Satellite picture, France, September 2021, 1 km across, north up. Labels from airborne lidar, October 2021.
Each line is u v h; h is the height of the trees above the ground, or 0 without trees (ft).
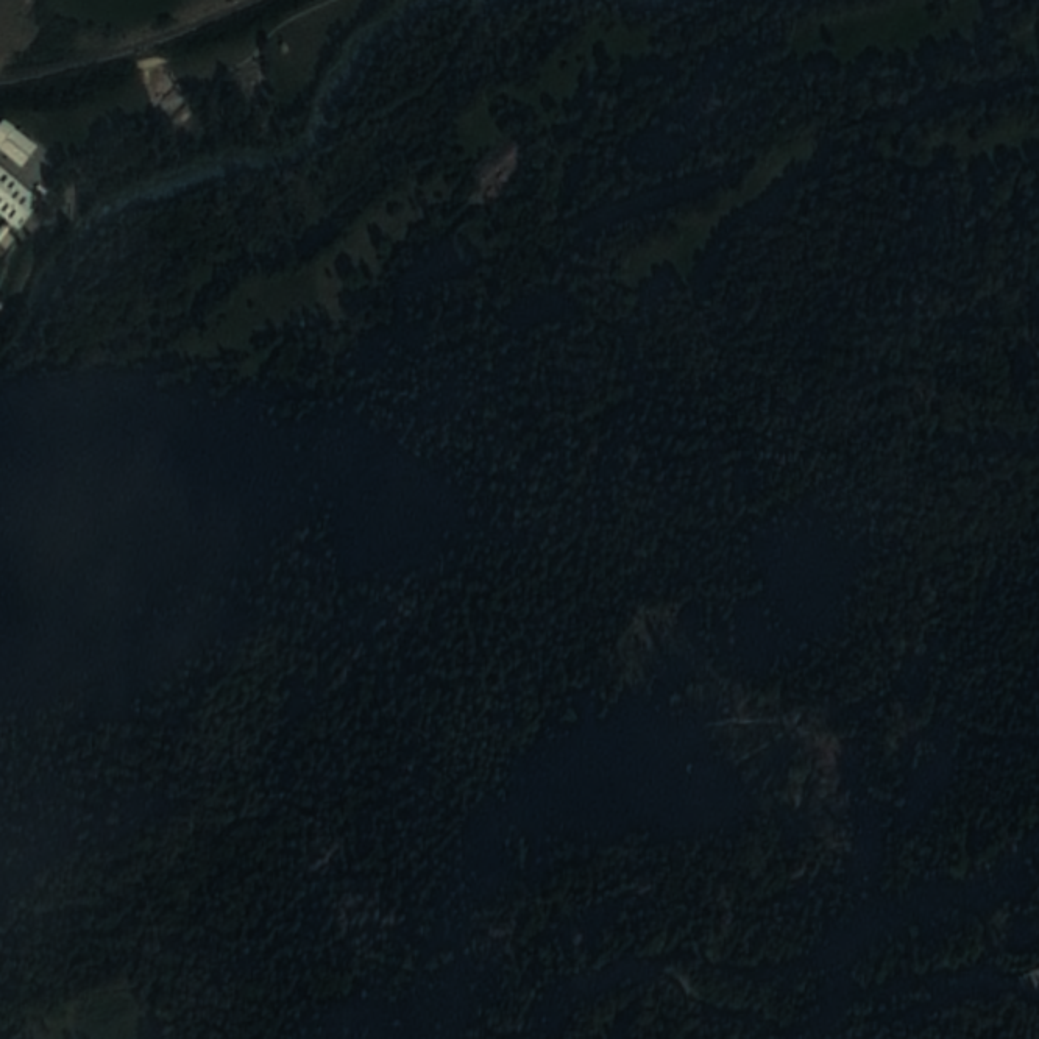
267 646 63
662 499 88
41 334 48
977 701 97
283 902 95
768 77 66
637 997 68
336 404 101
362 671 117
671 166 45
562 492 66
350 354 39
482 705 86
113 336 67
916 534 59
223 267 23
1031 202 42
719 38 51
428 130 32
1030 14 88
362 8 0
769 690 107
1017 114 84
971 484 46
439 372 80
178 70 0
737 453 89
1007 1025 92
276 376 26
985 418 30
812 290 78
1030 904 74
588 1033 64
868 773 94
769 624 119
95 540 75
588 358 81
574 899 59
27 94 39
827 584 43
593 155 76
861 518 40
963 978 31
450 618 124
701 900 108
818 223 74
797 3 68
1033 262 81
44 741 73
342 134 42
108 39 32
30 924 59
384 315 87
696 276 0
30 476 87
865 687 93
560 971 48
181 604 96
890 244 80
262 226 51
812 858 76
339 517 68
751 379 76
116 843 90
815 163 0
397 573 99
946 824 95
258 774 20
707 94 84
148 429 76
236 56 0
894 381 77
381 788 109
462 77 70
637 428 98
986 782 98
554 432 77
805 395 58
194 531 60
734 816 53
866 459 54
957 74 74
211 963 79
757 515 85
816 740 94
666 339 84
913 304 96
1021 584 66
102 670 71
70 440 88
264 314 0
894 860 110
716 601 110
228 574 96
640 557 88
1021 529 68
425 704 86
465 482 83
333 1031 71
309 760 92
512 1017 84
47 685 68
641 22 74
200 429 87
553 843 91
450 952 40
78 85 58
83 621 64
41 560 40
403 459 64
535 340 81
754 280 71
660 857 102
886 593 54
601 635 86
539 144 81
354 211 31
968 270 84
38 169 0
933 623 64
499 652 73
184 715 64
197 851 80
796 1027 74
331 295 0
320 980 109
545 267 29
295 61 0
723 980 63
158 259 66
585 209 60
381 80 71
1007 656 89
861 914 59
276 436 87
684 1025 87
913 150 72
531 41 31
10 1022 51
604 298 84
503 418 78
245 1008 73
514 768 67
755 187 0
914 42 0
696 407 107
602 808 69
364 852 81
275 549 73
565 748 103
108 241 53
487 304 25
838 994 72
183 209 30
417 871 97
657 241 66
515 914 70
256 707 81
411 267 23
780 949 98
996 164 0
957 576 68
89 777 87
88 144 0
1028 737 90
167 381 65
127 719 59
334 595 75
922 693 75
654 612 102
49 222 51
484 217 20
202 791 59
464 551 95
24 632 115
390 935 66
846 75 27
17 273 0
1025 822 78
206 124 72
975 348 73
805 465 76
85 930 95
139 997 85
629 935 48
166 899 76
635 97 81
